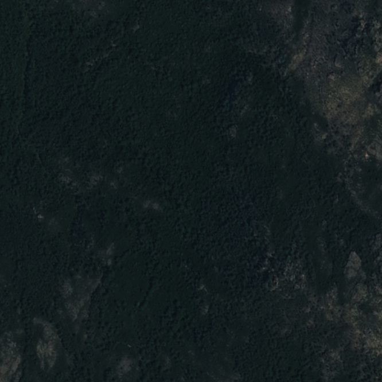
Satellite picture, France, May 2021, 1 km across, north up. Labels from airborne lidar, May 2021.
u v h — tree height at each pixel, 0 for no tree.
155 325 6
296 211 12
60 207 15
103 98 6
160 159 20
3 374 0
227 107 21
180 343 14
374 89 6
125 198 6
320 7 23
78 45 22
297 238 15
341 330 14
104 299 23
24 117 9
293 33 10
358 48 7
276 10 19
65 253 17
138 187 15
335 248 14
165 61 11
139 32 9
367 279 6
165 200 15
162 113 8
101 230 8
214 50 9
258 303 16
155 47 7
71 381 17
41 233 14
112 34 25
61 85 17
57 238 22
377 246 8
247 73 14
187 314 6
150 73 14
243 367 13
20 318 7
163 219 7
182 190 12
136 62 8
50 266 21
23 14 23
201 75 9
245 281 11
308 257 15
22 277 20
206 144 7
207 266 6
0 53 18
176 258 6
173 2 7
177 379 6
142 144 7
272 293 15
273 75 10
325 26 20
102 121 21
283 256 16
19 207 14
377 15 6
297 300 13
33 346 19
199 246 17
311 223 10
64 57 23
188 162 8
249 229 12
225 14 14
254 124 16
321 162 19
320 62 14
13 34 12
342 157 7
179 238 8
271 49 6
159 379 6
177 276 6
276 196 15
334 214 10
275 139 14
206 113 10
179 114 10
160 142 7
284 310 12
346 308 11
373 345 0
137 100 10
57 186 10
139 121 8
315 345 10
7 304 15
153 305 6
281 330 10
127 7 6
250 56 15
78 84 6
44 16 25
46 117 11
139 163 10
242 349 8
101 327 13
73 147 11
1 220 20
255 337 10
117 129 13
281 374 20
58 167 7
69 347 24
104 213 17
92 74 18
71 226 10
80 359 26
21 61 7
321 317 16
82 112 26
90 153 12
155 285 25
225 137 9
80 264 7
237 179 15
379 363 14
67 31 25
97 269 22
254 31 8
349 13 11
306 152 15
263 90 8
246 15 17
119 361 10
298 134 16
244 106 8
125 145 14
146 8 11
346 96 0
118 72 7
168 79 15
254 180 14
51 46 22
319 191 12
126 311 6
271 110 16
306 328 13
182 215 7
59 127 15
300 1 6
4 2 9
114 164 8
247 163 13
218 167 18
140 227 27
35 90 21
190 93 22
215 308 18
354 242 20
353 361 21
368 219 15
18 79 6
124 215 25
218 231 20
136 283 6
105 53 18
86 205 25
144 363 22
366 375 6
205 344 20
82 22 21
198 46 12
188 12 6
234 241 17
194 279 9
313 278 16
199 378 15
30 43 25
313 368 20
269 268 12
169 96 8
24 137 8
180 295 6
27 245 22
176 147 11
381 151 0
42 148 22
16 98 13
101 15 14
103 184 13
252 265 14
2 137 19
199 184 10
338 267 15
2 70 14
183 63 16
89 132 20
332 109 11
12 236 21
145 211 6
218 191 6
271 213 12
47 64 20
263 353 14
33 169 20
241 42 18
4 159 23
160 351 15
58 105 19
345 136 10
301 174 14
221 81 8
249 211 18
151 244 20
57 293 6
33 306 18
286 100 19
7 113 28
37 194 6
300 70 13
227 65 9
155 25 9
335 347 13
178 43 17
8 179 6
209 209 19
